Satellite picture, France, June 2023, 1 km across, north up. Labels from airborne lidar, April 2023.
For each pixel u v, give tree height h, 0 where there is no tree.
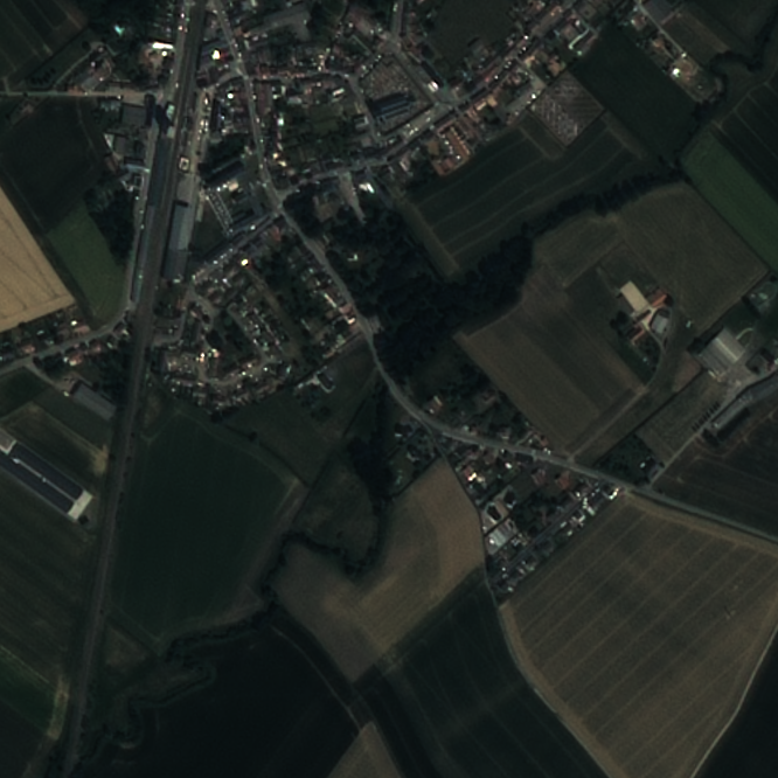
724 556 0
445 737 0
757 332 0
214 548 0
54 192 0
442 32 0
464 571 0
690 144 0
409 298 15
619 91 0
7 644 0
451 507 0
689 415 0
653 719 0
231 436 0
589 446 0
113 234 10
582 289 0
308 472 0
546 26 0
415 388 0
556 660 0
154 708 0
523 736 0
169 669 0
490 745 0
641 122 0
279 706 0
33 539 0
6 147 0
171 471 0
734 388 0
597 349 0
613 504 0
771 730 0
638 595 0
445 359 0
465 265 0
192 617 0
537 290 0
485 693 0
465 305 23
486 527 0
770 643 0
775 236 0
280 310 0
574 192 0
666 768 0
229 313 11
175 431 0
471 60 0
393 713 0
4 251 0
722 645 0
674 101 0
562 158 0
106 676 0
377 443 17
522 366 0
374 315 0
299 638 0
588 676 0
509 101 0
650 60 0
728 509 0
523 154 0
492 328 0
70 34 0
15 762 0
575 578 0
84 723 5
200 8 0
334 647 0
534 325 0
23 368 0
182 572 0
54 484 0
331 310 0
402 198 0
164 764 0
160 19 0
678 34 0
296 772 0
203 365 0
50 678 0
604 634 0
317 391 10
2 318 0
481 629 0
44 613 0
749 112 0
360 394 0
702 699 0
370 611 0
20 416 0
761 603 0
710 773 0
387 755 0
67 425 0
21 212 0
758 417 0
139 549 0
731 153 0
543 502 10
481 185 0
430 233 0
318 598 0
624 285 0
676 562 0
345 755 0
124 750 0
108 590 0
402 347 27
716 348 0
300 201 14
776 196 0
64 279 0
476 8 0
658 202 0
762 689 0
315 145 0
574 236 0
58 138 0
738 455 0
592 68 0
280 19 0
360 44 0
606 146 0
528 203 0
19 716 0
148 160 0
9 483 0
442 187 0
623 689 0
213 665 0
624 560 0
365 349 0
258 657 0
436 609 0
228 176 0
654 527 0
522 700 0
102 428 0
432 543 0
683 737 0
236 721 0
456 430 0
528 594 0
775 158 0
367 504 0
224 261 0
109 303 0
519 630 0
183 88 0
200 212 0
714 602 0
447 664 0
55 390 0
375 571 0
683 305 0
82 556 0
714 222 0
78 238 0
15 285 0
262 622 12
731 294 0
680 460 0
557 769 0
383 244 22
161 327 0
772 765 0
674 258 0
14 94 0
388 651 0
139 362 0
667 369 0
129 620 0
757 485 0
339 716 0
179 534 0
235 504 0
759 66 9
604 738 0
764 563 0
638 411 0
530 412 0
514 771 0
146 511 0
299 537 10
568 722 0
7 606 0
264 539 0
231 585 0
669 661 0
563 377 0
